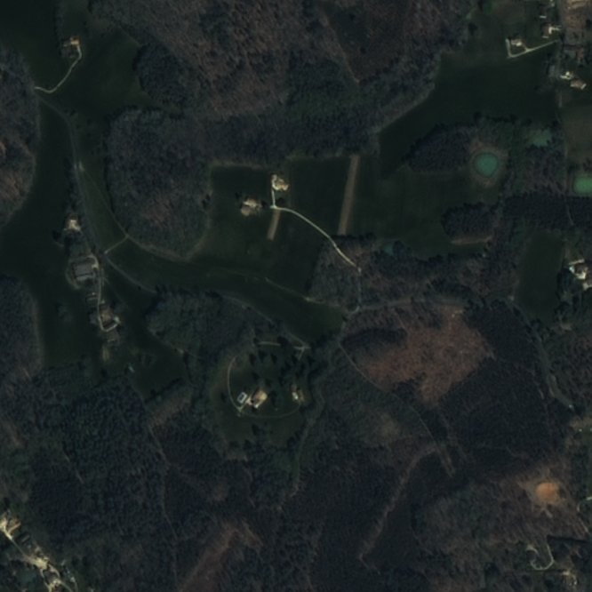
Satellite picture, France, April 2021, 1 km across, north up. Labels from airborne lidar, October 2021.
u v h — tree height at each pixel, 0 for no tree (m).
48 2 0
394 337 13
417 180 0
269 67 24
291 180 0
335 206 0
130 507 24
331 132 20
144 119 19
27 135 24
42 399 18
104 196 0
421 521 23
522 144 20
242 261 0
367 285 13
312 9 23
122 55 0
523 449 11
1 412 25
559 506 0
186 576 19
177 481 11
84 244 19
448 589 19
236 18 18
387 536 6
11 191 29
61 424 24
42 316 0
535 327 15
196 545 10
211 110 26
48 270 0
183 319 16
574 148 0
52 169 0
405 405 8
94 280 16
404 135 0
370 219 0
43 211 0
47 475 13
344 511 11
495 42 0
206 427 16
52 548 24
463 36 19
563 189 15
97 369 0
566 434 9
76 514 14
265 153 23
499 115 0
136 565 20
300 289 0
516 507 10
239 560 25
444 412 12
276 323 0
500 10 0
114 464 20
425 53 24
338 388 14
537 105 0
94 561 26
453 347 0
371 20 6
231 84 21
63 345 0
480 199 0
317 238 0
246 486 11
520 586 16
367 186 0
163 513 18
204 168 18
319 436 13
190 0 13
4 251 0
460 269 24
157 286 0
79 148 0
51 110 0
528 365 13
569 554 19
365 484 13
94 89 0
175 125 23
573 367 11
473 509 23
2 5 0
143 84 19
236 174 0
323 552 13
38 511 13
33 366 30
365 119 17
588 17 0
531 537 16
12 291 26
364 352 15
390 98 14
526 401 13
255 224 0
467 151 18
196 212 18
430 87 16
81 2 0
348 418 11
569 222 11
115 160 19
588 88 0
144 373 0
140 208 22
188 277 0
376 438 10
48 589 0
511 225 12
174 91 21
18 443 11
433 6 21
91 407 26
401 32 7
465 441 7
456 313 0
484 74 0
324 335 0
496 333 15
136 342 0
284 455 18
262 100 28
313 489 14
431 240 0
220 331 19
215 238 0
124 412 24
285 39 17
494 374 11
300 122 23
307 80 23
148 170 21
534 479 0
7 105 23
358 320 12
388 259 20
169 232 25
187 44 21
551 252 0
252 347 14
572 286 16
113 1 23
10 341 22
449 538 12
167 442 10
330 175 0
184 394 26
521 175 17
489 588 12
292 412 0
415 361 0
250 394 6
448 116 0
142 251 0
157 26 17
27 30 0
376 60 6
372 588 13
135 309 0
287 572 16
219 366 23
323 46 22
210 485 11
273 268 0
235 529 24
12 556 12
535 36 0
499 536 13
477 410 8
